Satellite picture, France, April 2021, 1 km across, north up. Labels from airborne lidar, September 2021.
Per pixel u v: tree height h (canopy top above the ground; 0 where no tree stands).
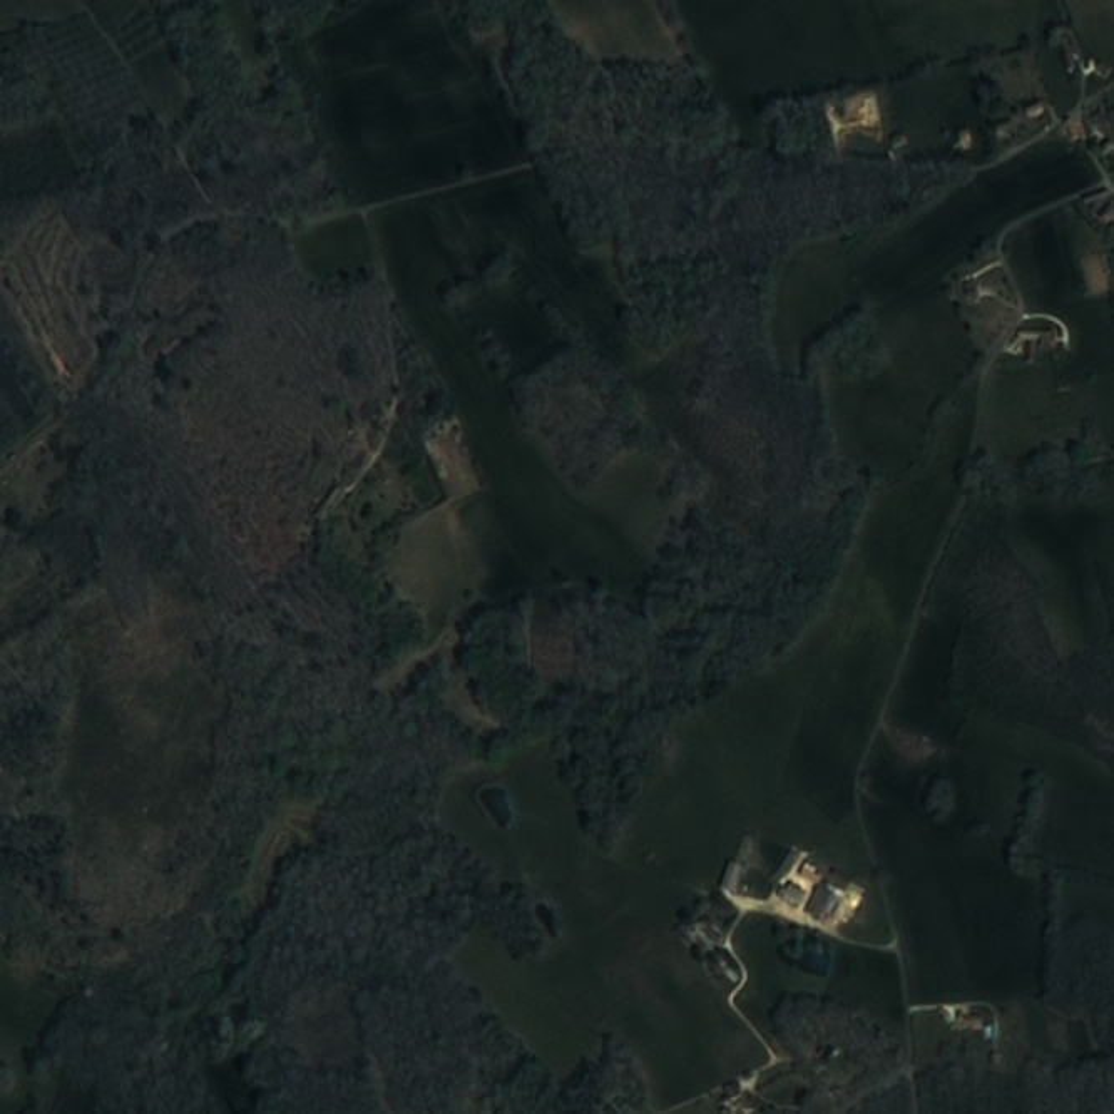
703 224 13
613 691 17
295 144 14
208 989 26
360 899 13
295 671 19
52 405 12
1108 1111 14
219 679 19
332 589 21
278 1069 20
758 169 16
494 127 0
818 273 0
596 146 18
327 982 22
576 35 0
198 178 10
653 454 18
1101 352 0
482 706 21
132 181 14
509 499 0
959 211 0
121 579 18
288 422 11
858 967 0
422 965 18
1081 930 17
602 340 0
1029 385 0
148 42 7
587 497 0
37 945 16
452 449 0
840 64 0
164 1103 30
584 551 0
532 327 0
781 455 16
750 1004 0
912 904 0
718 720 0
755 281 22
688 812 0
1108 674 10
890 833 0
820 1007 14
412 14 0
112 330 16
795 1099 0
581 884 0
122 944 20
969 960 0
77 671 6
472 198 0
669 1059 0
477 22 23
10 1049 0
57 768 20
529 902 13
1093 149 12
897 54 0
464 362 0
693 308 19
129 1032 23
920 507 0
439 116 0
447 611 0
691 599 20
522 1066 14
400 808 16
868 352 16
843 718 0
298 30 23
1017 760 0
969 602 8
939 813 16
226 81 25
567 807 0
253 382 10
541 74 24
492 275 22
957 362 0
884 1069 17
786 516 15
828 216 19
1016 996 0
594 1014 0
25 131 22
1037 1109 12
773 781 0
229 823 19
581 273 0
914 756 0
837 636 0
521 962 7
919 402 0
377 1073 19
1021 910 0
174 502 16
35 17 0
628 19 0
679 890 0
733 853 0
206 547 11
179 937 16
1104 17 0
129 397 14
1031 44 13
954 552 7
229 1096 0
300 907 18
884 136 0
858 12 0
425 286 0
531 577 0
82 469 14
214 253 6
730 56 0
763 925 0
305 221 16
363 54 0
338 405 15
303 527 11
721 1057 0
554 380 22
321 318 17
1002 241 0
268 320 17
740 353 17
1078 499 18
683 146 19
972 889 0
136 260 6
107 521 23
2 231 18
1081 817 0
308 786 21
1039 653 8
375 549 7
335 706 18
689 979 0
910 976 0
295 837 0
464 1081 19
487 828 0
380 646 12
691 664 23
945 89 0
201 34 19
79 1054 26
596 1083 20
